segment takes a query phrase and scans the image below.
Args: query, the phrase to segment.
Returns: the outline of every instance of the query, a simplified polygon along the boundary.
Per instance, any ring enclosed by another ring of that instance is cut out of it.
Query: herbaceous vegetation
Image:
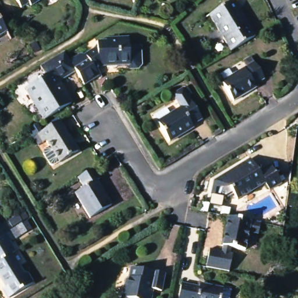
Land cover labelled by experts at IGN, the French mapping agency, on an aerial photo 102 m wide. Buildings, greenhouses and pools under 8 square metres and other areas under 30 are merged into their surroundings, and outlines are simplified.
[[[165,228],[164,233],[155,230],[134,244],[129,244],[127,250],[130,263],[142,267],[144,262],[159,260],[158,255],[161,254],[165,241],[169,239],[170,232]]]
[[[88,9],[87,0],[78,0],[81,7],[77,27],[79,31],[83,29],[84,36],[69,48],[71,51],[85,52],[94,48],[104,38],[123,33],[130,33],[130,47],[133,44],[143,44],[146,66],[133,69],[127,66],[118,72],[107,72],[91,85],[94,95],[98,94],[100,97],[108,97],[108,92],[114,90],[120,107],[129,115],[133,116],[137,126],[142,125],[141,116],[137,111],[137,100],[154,90],[157,76],[163,76],[169,71],[163,66],[162,55],[176,41],[172,30],[163,27],[92,14]]]
[[[23,284],[27,292],[15,298],[40,298],[43,290],[48,290],[54,285],[52,278],[56,272],[71,268],[66,258],[76,256],[79,251],[90,248],[105,237],[101,234],[101,223],[107,220],[111,223],[116,214],[126,211],[128,207],[136,208],[139,204],[133,196],[127,201],[122,200],[121,203],[112,206],[109,212],[101,214],[100,219],[91,221],[92,228],[87,234],[70,240],[70,235],[65,234],[66,226],[86,217],[85,213],[78,213],[74,206],[63,213],[58,212],[55,206],[48,206],[48,210],[42,208],[44,218],[47,218],[51,226],[47,230],[38,218],[34,207],[36,200],[28,189],[30,179],[48,179],[48,196],[64,186],[72,187],[79,183],[81,173],[93,168],[92,155],[92,148],[77,151],[78,156],[63,164],[52,169],[45,162],[37,143],[22,147],[20,152],[14,152],[9,156],[0,144],[0,214],[3,218],[9,217],[7,199],[1,197],[1,193],[3,187],[10,183],[19,191],[31,215],[35,217],[38,227],[24,230],[19,236],[21,240],[41,232],[45,234],[47,240],[31,244],[28,254],[43,281],[31,285]]]
[[[170,87],[171,97],[175,99],[176,94],[183,94],[187,104],[190,101],[197,104],[198,108],[194,111],[200,112],[205,122],[210,127],[214,123],[201,98],[194,91],[190,80],[180,80]]]
[[[244,251],[236,249],[229,270],[264,281],[274,269],[269,263],[261,262],[261,244],[254,244]]]
[[[157,120],[154,119],[150,123],[152,132],[147,132],[143,137],[159,157],[161,169],[165,169],[208,143],[206,137],[201,137],[197,132],[194,130],[192,133],[177,137],[177,142],[166,143]]]
[[[218,37],[217,26],[212,21],[210,13],[222,0],[178,0],[171,14],[175,19],[179,13],[185,12],[183,19],[177,23],[177,28],[184,37],[182,42],[180,52],[185,57],[187,70],[189,70],[191,65],[196,65],[203,61],[206,50],[198,36]]]
[[[23,120],[27,116],[22,111],[24,105],[17,100],[16,94],[17,87],[21,85],[27,81],[30,74],[40,70],[41,66],[36,64],[0,87],[0,127],[5,127],[3,132],[6,133],[9,144],[21,140]]]
[[[269,169],[277,169],[279,175],[288,177],[291,173],[291,177],[298,180],[298,125],[292,161],[286,162],[281,158],[262,155],[251,158],[255,164],[261,166],[262,173]]]
[[[92,0],[127,12],[130,7],[136,5],[136,0]]]
[[[261,98],[260,93],[254,93],[239,104],[232,105],[222,88],[215,88],[215,91],[229,116],[246,114],[250,109],[260,105],[258,99]]]
[[[120,298],[120,286],[116,286],[115,282],[123,268],[111,258],[99,261],[94,251],[81,257],[78,263],[85,265],[88,272],[88,285],[81,298]]]
[[[17,7],[19,0],[0,0],[0,13],[8,30],[6,35],[0,38],[0,73],[13,65],[13,52],[23,48],[24,44],[23,38],[14,36],[9,21],[15,21],[19,26],[27,24],[40,34],[52,36],[56,29],[61,30],[65,6],[69,3],[71,5],[73,0],[31,0],[34,12],[30,13],[27,8],[26,12],[22,13],[20,7]]]
[[[267,230],[261,241],[274,244],[277,235],[283,234],[285,213],[282,210],[278,215],[265,219]]]
[[[288,40],[285,37],[276,42],[274,35],[270,35],[272,26],[281,21],[271,19],[268,2],[265,0],[249,0],[250,7],[262,22],[262,29],[258,38],[244,37],[244,41],[232,49],[232,56],[208,68],[207,73],[215,72],[218,76],[227,69],[236,68],[236,63],[246,62],[248,57],[258,55],[263,59],[277,62],[275,73],[269,80],[272,91],[276,90],[279,81],[284,79],[281,73],[282,58],[288,55],[289,50],[286,48]]]

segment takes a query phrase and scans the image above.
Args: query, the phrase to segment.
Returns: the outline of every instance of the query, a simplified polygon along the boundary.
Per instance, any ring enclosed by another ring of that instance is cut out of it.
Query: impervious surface
[[[289,50],[298,58],[298,0],[265,0],[268,2],[271,19],[281,21],[272,26],[270,35],[274,35],[276,42],[285,37],[288,40],[286,48]]]
[[[55,158],[58,150],[50,151],[54,144],[37,139],[37,143],[45,162],[52,169],[63,164],[62,159]]]
[[[33,102],[28,99],[26,88],[21,85],[17,87],[16,94],[17,100],[24,105],[31,112],[38,112],[37,107],[41,105],[41,100]]]
[[[111,179],[122,200],[127,201],[133,196],[119,168],[112,171]]]
[[[175,99],[151,112],[151,118],[154,119],[157,120],[166,143],[177,142],[177,137],[170,139],[162,119],[162,116],[169,113],[169,108],[180,106]]]
[[[210,205],[207,201],[211,200],[214,194],[214,180],[251,158],[262,155],[281,158],[286,162],[292,161],[298,125],[298,85],[283,98],[276,98],[272,91],[269,80],[267,84],[254,88],[254,93],[260,93],[261,98],[265,107],[241,121],[239,125],[230,128],[221,135],[215,135],[210,127],[205,122],[197,127],[197,132],[201,137],[206,137],[208,143],[165,169],[161,169],[159,157],[143,137],[129,115],[120,107],[114,90],[108,92],[108,97],[100,97],[98,94],[94,95],[91,85],[78,86],[79,102],[70,107],[70,116],[76,123],[77,132],[84,136],[85,141],[94,141],[95,146],[92,148],[92,155],[105,157],[106,150],[114,148],[119,154],[125,155],[119,165],[122,165],[133,179],[146,204],[152,203],[155,208],[158,207],[162,212],[165,228],[170,232],[176,225],[179,220],[190,223],[191,227],[186,248],[186,256],[191,258],[191,263],[189,269],[184,270],[182,277],[179,278],[178,297],[182,295],[185,278],[196,282],[204,281],[204,277],[194,276],[196,254],[193,254],[192,247],[199,237],[197,227],[206,226],[208,233],[203,250],[205,256],[210,255],[213,247],[219,246],[223,234],[222,222],[210,220],[211,214],[208,211]],[[198,199],[203,207],[198,213],[191,212],[193,180],[197,180],[199,173],[208,166],[243,147],[244,144],[261,144],[262,148],[255,151],[247,150],[236,162],[214,173],[212,177],[207,177],[204,191],[199,193]]]
[[[219,190],[227,193],[222,203],[223,206],[230,208],[230,214],[243,214],[244,211],[250,210],[251,206],[268,197],[274,203],[274,208],[264,212],[265,219],[278,215],[282,210],[288,201],[288,194],[298,193],[298,180],[291,177],[291,173],[288,177],[282,185],[269,187],[265,184],[260,191],[243,197],[237,197],[234,184],[221,185]]]

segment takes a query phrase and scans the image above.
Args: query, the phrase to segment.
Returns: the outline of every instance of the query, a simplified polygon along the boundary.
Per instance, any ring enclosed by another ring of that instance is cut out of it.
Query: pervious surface
[[[204,98],[201,98],[214,123],[210,127],[215,135],[221,135],[230,128],[204,80],[200,78],[196,65],[191,65],[189,70],[204,93]]]
[[[88,9],[92,14],[163,27],[164,22],[148,17]]]
[[[176,225],[170,232],[169,239],[165,241],[161,254],[158,255],[159,260],[165,260],[166,265],[171,265],[177,258],[176,253],[172,251],[179,232],[179,226]]]
[[[94,251],[114,241],[126,230],[162,212],[158,207],[155,208],[140,217],[135,217],[105,237],[90,248],[79,251],[76,256],[66,258],[71,268],[74,269],[78,263],[81,257]]]
[[[45,61],[69,48],[84,36],[83,29],[79,31],[71,40],[58,45],[54,50],[47,52],[41,49],[36,52],[33,61],[0,80],[0,87],[36,64],[41,66],[40,70],[43,70]]]

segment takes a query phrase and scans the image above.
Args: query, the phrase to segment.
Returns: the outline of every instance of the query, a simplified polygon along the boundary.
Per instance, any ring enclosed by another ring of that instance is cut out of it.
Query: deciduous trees
[[[282,58],[281,73],[284,79],[286,84],[293,84],[293,81],[298,79],[298,58],[289,50],[288,55]]]
[[[81,298],[88,285],[88,272],[85,265],[78,263],[74,269],[71,268],[56,272],[52,278],[54,285],[48,290],[43,290],[40,298]]]
[[[261,244],[261,262],[269,263],[274,269],[264,281],[263,285],[244,282],[236,286],[239,290],[236,298],[298,298],[298,193],[288,194],[288,201],[282,210],[285,213],[283,234],[277,235],[274,244],[261,241]]]
[[[163,66],[169,71],[173,78],[187,70],[185,57],[180,52],[182,42],[176,41],[162,55]]]

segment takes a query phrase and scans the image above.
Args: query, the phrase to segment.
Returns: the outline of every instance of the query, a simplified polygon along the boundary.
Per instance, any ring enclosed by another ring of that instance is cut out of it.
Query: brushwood
[[[14,152],[20,152],[22,147],[37,143],[37,139],[33,136],[33,123],[41,123],[43,127],[49,125],[38,112],[31,112],[24,105],[22,111],[27,116],[23,120],[21,140],[9,144],[6,133],[3,132],[5,127],[0,127],[0,144],[9,156]]]
[[[212,177],[214,173],[236,162],[247,150],[255,151],[262,148],[261,144],[244,144],[243,147],[208,166],[199,173],[197,180],[193,180],[191,212],[198,213],[203,207],[198,199],[199,193],[204,191],[207,177]]]
[[[279,81],[276,90],[272,91],[276,98],[283,98],[298,85],[298,79],[293,81],[293,84],[286,84],[284,79]]]
[[[101,234],[105,237],[135,217],[140,217],[155,208],[152,203],[146,204],[133,179],[122,165],[119,165],[119,168],[133,196],[139,204],[136,208],[128,207],[126,211],[116,214],[111,223],[107,220],[101,223]]]
[[[190,223],[179,220],[176,225],[179,226],[179,232],[172,251],[176,253],[177,258],[171,265],[169,288],[158,291],[159,296],[156,298],[178,298],[178,297],[179,278],[182,277],[184,270],[189,269],[191,263],[191,258],[186,256],[186,248],[191,227]]]
[[[217,281],[236,286],[244,282],[263,285],[264,281],[229,270],[205,269],[205,256],[203,250],[208,233],[206,226],[197,227],[199,237],[192,247],[193,254],[196,254],[194,276],[204,277],[204,281]]]
[[[64,186],[48,196],[48,179],[30,179],[28,189],[36,200],[34,207],[38,218],[47,230],[51,226],[47,218],[44,218],[42,208],[48,210],[48,206],[55,206],[58,212],[63,213],[74,206],[78,198],[72,187]]]
[[[26,212],[28,217],[31,215],[19,191],[10,183],[3,187],[1,193],[1,197],[7,199],[9,217],[15,217],[22,212]]]
[[[246,114],[229,116],[215,91],[215,88],[222,88],[223,83],[218,76],[215,72],[207,73],[208,68],[232,56],[232,49],[218,37],[198,36],[206,50],[203,61],[196,65],[200,78],[204,80],[230,128],[239,125],[241,121],[265,107],[261,98],[258,99],[260,105],[250,109]]]
[[[177,23],[183,19],[185,12],[179,13],[175,19],[171,14],[178,0],[136,0],[136,5],[130,7],[127,12],[92,0],[87,0],[88,9],[148,17],[164,22],[163,27],[172,30],[176,41],[182,42],[184,37],[177,28]]]
[[[66,226],[65,234],[70,235],[70,240],[87,234],[92,228],[91,221],[86,217]]]
[[[123,268],[130,263],[127,250],[129,244],[134,244],[155,230],[164,233],[165,228],[162,212],[126,230],[114,241],[94,251],[99,261],[111,258]]]
[[[204,98],[204,93],[189,70],[187,70],[173,78],[169,71],[163,76],[157,76],[154,90],[137,100],[137,111],[141,116],[142,125],[137,126],[133,116],[129,115],[143,137],[147,132],[152,132],[150,123],[154,119],[151,118],[151,112],[175,99],[171,97],[170,87],[180,80],[190,80],[194,91],[201,98]]]
[[[9,21],[14,36],[23,38],[24,44],[23,48],[13,52],[13,65],[0,73],[0,80],[33,61],[36,52],[31,48],[31,42],[40,43],[41,49],[47,52],[54,50],[58,45],[71,40],[79,31],[77,27],[81,7],[78,0],[73,0],[71,5],[69,3],[65,6],[61,30],[56,29],[52,36],[40,34],[27,24],[19,26],[15,21]]]
[[[21,240],[20,250],[28,254],[31,244],[47,240],[45,234],[41,232]]]

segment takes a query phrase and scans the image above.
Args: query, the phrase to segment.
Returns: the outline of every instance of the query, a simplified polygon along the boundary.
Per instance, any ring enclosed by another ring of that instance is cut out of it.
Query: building
[[[6,35],[8,30],[0,13],[0,38]]]
[[[34,12],[31,0],[19,0],[17,7],[20,7],[22,13],[26,12],[27,8],[30,13]]]
[[[222,88],[232,105],[239,104],[254,93],[254,88],[267,84],[269,80],[275,73],[277,62],[263,59],[258,55],[248,57],[246,62],[236,63],[236,68],[227,69],[218,76],[223,83]]]
[[[85,213],[86,217],[91,221],[100,219],[101,214],[109,212],[112,206],[121,203],[122,200],[111,179],[112,171],[119,168],[119,165],[125,155],[119,154],[114,148],[106,150],[105,157],[92,155],[93,168],[81,173],[79,183],[72,187],[78,198],[74,206],[78,213]]]
[[[156,298],[159,296],[158,291],[169,288],[171,265],[166,265],[165,260],[159,260],[144,262],[142,267],[130,263],[123,268],[115,282],[116,286],[120,286],[120,298]]]
[[[239,290],[236,286],[217,281],[204,281],[196,282],[185,278],[182,295],[178,297],[178,298],[236,298]]]
[[[244,37],[258,38],[262,29],[262,22],[250,7],[249,0],[222,0],[210,13],[212,21],[217,26],[218,37],[232,49],[244,41]]]
[[[36,52],[41,49],[40,43],[31,42],[31,48]]]
[[[27,292],[23,284],[31,285],[43,281],[28,254],[20,250],[21,240],[19,236],[24,230],[38,227],[35,217],[31,215],[28,217],[26,212],[22,212],[15,217],[9,217],[3,218],[0,214],[0,298],[15,298]]]
[[[78,86],[91,85],[107,72],[118,72],[127,66],[133,69],[146,66],[143,44],[133,44],[130,47],[130,33],[123,33],[104,38],[94,48],[85,52],[71,51],[69,48],[45,61],[43,70],[40,70],[30,74],[27,81],[21,85],[26,88],[28,99],[33,102],[41,100],[41,105],[37,107],[38,112],[49,125],[43,127],[41,123],[33,123],[33,136],[37,139],[54,144],[50,151],[58,150],[55,158],[62,159],[63,164],[78,156],[77,151],[92,148],[95,146],[94,141],[85,141],[84,136],[77,132],[76,123],[70,116],[70,107],[79,102]]]
[[[176,94],[175,99],[180,106],[169,108],[169,113],[162,116],[162,119],[170,139],[177,137],[192,133],[194,130],[197,132],[197,127],[205,122],[200,112],[194,111],[198,108],[197,104],[190,101],[187,104],[183,94]]]
[[[262,173],[261,166],[255,164],[251,158],[214,180],[214,194],[211,200],[207,201],[210,205],[208,211],[211,214],[210,220],[222,222],[223,234],[219,246],[213,247],[210,255],[205,256],[205,269],[229,270],[236,249],[244,251],[254,244],[261,244],[261,241],[267,230],[265,219],[264,212],[262,207],[250,210],[244,211],[243,214],[230,214],[230,208],[223,206],[222,203],[227,193],[219,190],[221,185],[234,184],[237,197],[243,197],[260,191],[265,184],[269,187],[282,185],[288,177],[279,175],[277,169],[269,169]]]

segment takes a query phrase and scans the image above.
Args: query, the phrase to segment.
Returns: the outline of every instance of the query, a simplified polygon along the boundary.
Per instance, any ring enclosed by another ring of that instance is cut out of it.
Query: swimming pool
[[[251,206],[250,210],[262,207],[264,212],[274,208],[274,203],[268,197]]]

